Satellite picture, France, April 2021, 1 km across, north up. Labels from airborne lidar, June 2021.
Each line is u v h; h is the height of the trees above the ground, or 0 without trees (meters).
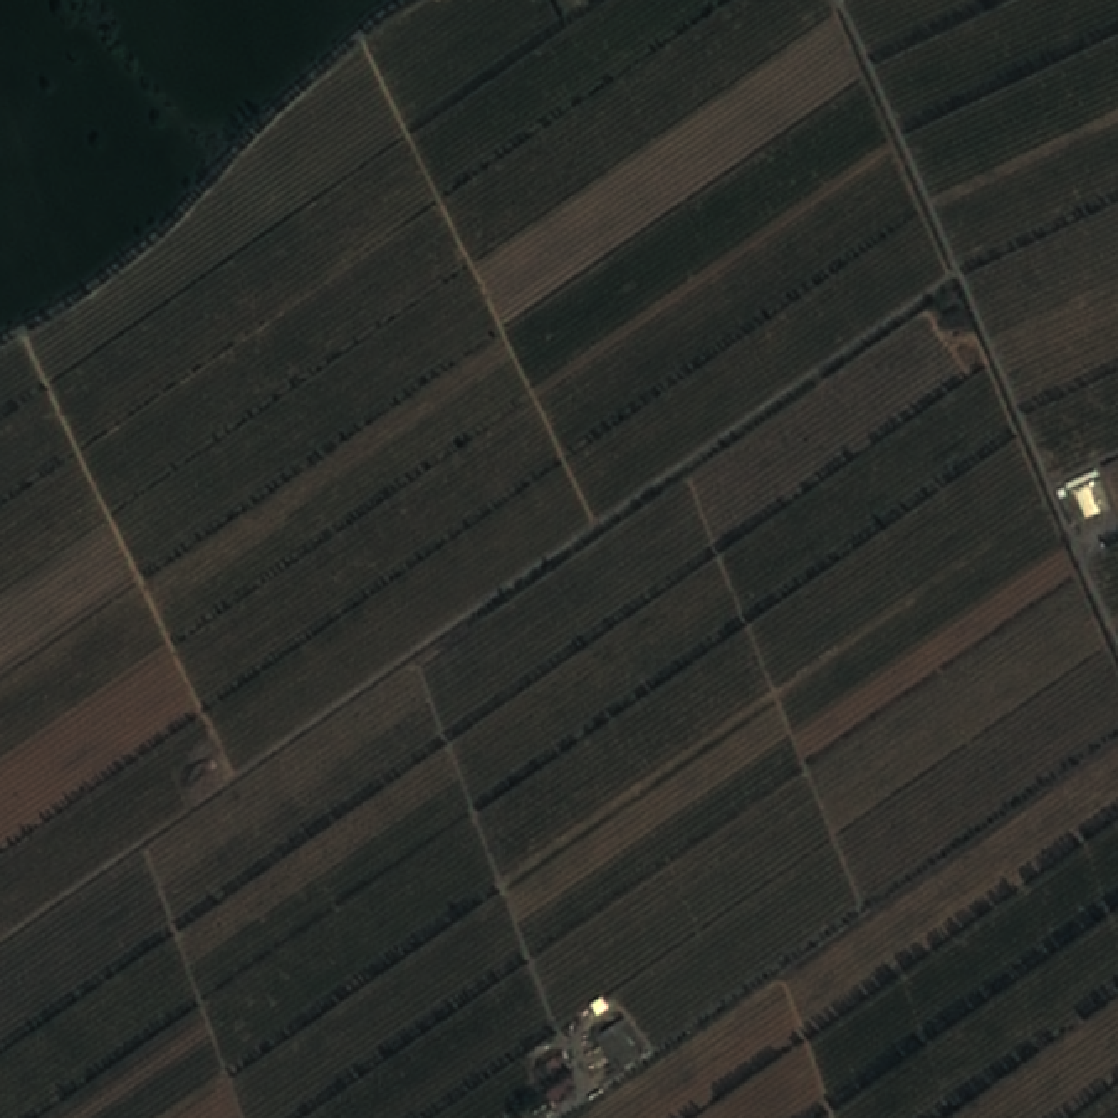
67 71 0
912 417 15
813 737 0
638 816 0
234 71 0
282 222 7
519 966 16
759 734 0
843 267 11
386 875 10
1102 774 0
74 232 0
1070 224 16
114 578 0
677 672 15
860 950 0
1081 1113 8
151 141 0
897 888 9
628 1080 9
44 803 0
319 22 0
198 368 8
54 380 7
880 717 9
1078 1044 0
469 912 18
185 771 0
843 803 0
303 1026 16
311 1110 16
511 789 14
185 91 0
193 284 8
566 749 15
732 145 0
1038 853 0
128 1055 14
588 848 0
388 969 18
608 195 0
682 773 0
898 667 0
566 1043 0
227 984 11
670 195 0
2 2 0
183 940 0
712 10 9
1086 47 17
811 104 0
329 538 12
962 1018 23
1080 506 0
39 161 0
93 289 9
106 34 17
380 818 0
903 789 6
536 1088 6
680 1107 0
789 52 0
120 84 0
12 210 0
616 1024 0
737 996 9
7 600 0
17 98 0
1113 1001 20
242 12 0
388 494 12
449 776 0
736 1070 0
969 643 0
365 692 6
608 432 13
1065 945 23
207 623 11
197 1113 0
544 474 8
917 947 0
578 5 0
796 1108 0
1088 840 19
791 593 12
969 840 7
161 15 0
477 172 6
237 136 23
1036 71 20
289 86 0
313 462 12
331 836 0
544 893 0
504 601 16
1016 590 0
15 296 0
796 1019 0
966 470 16
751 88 0
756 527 16
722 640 12
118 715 0
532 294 0
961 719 0
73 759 0
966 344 0
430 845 11
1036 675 0
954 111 18
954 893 0
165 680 0
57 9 14
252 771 6
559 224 0
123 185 0
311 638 11
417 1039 16
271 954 12
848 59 0
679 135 0
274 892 0
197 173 0
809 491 15
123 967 14
